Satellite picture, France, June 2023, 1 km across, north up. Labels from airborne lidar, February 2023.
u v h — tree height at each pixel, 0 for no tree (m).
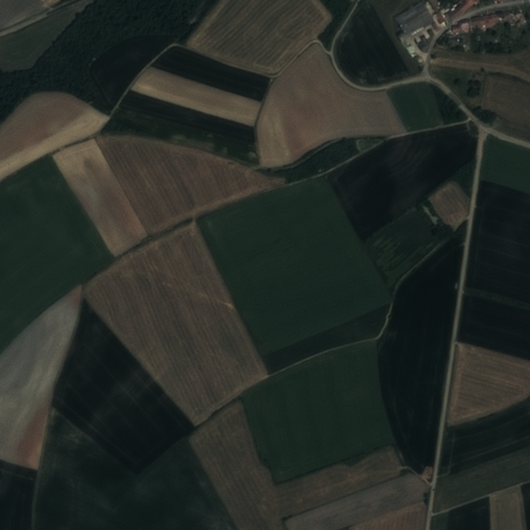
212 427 0
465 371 0
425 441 0
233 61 0
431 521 0
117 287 0
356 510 0
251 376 0
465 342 0
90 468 0
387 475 0
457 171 6
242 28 0
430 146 0
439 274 0
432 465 0
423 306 0
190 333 0
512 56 0
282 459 0
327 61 0
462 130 0
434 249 0
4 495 0
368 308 0
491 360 0
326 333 0
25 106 0
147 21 14
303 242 0
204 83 0
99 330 0
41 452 0
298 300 0
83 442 0
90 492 0
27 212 0
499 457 0
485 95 0
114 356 0
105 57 0
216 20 0
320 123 0
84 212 0
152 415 0
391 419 0
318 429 0
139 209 0
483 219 0
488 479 0
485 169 0
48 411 0
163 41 0
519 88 0
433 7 0
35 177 0
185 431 0
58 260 0
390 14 0
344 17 7
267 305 0
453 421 0
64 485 0
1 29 0
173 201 0
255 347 0
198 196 0
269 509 0
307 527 0
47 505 0
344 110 0
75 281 0
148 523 0
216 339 0
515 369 0
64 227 0
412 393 0
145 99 0
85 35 9
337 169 0
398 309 0
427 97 0
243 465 0
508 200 0
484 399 0
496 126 0
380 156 0
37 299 0
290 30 0
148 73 0
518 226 0
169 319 0
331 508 0
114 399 0
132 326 0
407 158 0
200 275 0
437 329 0
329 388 0
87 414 0
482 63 0
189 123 0
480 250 0
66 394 0
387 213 0
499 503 0
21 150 0
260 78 0
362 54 0
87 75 8
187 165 0
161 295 0
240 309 0
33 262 0
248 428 0
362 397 0
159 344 0
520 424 0
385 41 0
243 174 0
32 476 0
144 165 0
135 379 0
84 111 0
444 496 0
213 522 0
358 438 0
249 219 0
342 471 0
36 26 0
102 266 0
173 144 0
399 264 0
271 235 0
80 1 0
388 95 0
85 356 0
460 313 0
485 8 0
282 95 0
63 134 0
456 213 0
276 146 0
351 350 0
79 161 0
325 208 0
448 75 0
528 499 0
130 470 0
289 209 0
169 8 16
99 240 0
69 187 0
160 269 0
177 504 0
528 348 0
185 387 0
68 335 0
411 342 0
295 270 0
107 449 0
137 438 0
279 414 0
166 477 0
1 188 0
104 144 0
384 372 0
